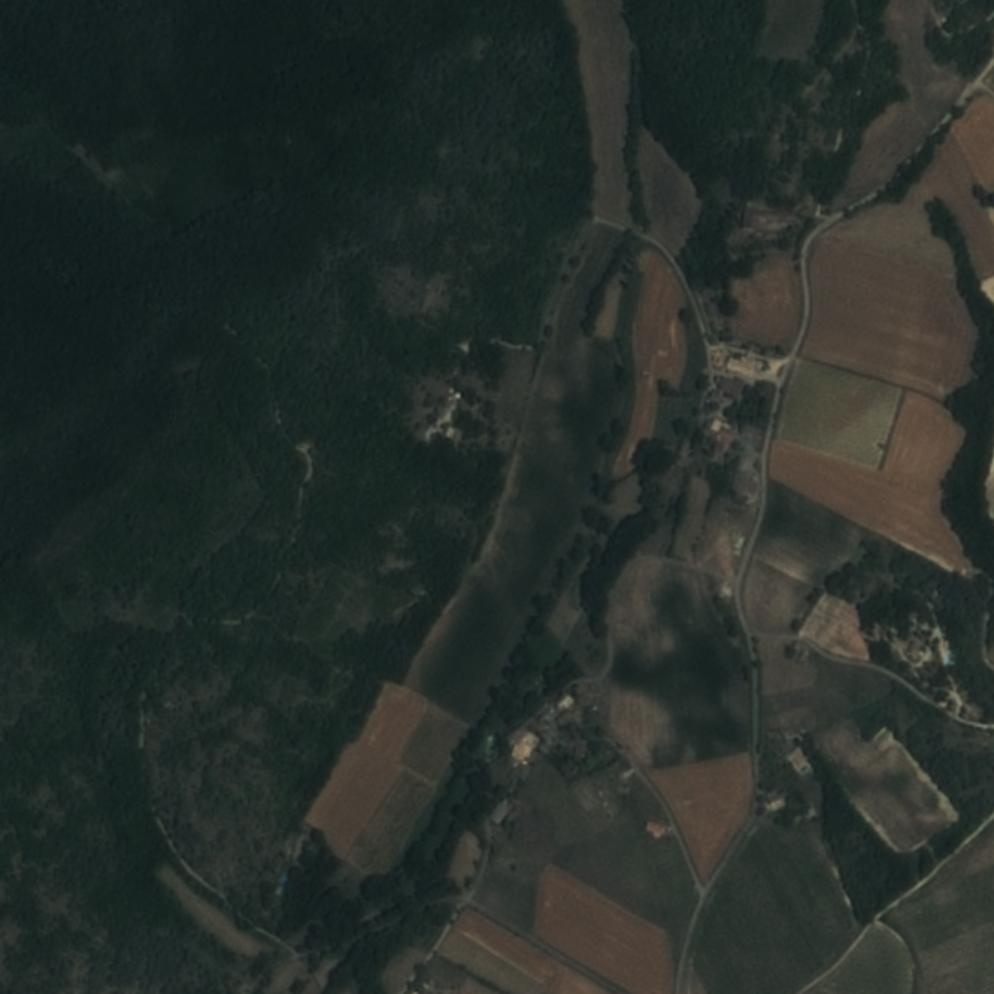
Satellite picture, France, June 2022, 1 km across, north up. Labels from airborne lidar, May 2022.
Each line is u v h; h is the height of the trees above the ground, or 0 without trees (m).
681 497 7
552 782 0
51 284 8
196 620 9
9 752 11
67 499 7
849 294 0
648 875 0
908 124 0
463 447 10
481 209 8
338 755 8
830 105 11
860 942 0
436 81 13
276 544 7
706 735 0
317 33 16
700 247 17
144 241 19
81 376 8
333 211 11
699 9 9
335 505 8
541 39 10
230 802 6
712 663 0
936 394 0
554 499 0
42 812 8
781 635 0
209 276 9
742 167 11
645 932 0
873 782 0
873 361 0
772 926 0
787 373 0
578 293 0
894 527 0
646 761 0
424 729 0
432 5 10
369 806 0
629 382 22
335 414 8
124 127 7
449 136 8
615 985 0
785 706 0
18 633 8
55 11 10
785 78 12
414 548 7
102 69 7
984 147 0
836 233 0
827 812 14
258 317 11
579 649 0
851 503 0
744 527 0
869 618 8
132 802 11
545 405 0
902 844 0
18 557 10
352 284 10
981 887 0
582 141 9
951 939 0
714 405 10
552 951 0
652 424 0
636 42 7
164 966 12
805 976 0
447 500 10
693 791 0
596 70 0
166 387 12
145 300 10
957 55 9
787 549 0
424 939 7
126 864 8
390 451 11
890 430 0
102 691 12
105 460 14
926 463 0
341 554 9
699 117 16
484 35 10
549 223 10
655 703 0
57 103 11
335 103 19
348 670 6
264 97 10
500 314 9
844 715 0
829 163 14
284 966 0
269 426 7
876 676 0
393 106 16
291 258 13
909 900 0
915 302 0
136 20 9
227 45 11
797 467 0
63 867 7
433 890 13
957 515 16
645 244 0
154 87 8
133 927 12
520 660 19
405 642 11
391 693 0
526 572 0
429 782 0
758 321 0
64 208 10
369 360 10
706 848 0
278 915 8
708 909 0
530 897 0
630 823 0
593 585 15
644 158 0
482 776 17
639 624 0
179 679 8
